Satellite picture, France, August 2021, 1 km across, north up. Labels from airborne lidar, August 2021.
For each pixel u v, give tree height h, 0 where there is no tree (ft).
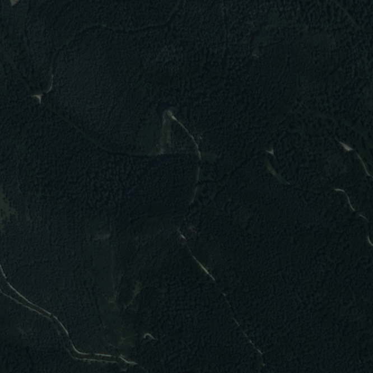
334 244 72
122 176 104
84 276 30
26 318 40
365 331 42
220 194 50
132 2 75
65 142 83
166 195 82
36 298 33
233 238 70
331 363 100
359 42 109
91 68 47
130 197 51
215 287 90
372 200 26
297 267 91
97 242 20
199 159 64
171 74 74
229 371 61
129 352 22
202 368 54
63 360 49
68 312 44
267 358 67
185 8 47
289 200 96
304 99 48
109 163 83
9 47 46
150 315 57
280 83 64
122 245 44
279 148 65
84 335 50
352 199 31
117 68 63
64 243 34
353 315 73
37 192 45
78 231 37
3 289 49
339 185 64
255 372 94
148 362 71
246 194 64
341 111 41
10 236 31
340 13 79
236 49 34
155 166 72
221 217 68
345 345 47
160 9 74
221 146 68
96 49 51
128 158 75
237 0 76
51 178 68
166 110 48
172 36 81
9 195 32
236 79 73
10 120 52
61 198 54
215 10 66
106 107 40
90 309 42
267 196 82
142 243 41
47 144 87
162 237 38
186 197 58
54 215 45
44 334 41
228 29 69
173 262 78
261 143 84
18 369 89
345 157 50
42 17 62
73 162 84
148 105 49
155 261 72
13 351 73
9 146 53
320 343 73
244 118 104
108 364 29
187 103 51
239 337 97
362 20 87
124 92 70
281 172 78
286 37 74
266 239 82
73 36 56
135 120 39
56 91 42
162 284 54
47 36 48
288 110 84
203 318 103
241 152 74
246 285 74
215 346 103
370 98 31
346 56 80
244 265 91
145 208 58
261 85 83
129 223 47
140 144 35
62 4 64
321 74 97
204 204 62
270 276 98
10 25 59
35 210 32
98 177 84
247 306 101
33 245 40
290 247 93
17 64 20
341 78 110
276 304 96
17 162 55
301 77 67
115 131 49
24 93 74
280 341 96
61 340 35
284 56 48
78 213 70
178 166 77
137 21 93
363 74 29
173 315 94
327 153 29
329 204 71
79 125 56
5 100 58
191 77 73
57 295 39
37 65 48
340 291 56
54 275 39
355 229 73
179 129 21
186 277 88
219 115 82
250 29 69
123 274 37
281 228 80
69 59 32
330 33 49
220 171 66
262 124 78
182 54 95
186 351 113
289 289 89
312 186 89
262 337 72
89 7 78
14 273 38
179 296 107
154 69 84
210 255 41
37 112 70
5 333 24
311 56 60
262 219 69
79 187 89
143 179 79
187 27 78
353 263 83
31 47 36
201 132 35
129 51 91
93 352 47
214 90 76
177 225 50
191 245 46
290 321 86
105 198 99
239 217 75
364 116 39
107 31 86
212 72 108
